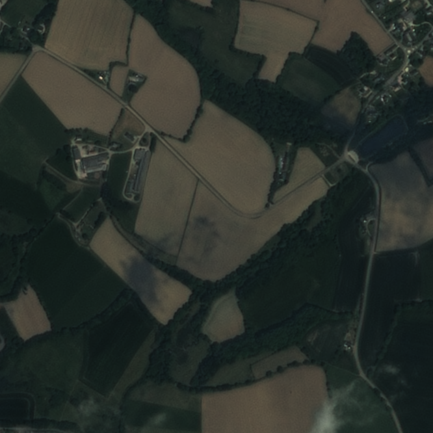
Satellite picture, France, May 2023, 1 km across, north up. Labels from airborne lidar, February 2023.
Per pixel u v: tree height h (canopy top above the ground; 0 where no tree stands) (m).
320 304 0
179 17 0
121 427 9
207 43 0
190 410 0
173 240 0
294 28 0
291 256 7
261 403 0
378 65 0
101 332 0
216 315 0
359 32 0
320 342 0
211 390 11
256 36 0
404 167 0
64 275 0
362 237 0
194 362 0
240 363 0
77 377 0
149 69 0
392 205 0
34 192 0
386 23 11
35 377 0
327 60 0
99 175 0
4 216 0
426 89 15
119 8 0
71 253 0
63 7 0
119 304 17
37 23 15
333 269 0
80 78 0
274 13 0
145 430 0
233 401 0
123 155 0
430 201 0
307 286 0
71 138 0
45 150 0
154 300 0
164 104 0
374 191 0
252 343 21
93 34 0
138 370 0
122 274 0
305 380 0
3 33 8
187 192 0
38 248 0
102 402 0
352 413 0
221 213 0
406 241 0
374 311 0
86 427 0
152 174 0
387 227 0
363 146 0
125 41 0
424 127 13
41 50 0
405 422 0
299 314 17
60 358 0
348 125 0
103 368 0
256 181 0
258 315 0
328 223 16
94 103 0
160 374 6
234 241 0
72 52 0
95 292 0
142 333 0
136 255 0
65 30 0
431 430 0
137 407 0
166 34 18
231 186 0
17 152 0
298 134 22
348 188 0
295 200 0
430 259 0
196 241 0
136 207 0
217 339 0
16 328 0
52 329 8
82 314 0
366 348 0
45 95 0
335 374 0
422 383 0
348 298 0
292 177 0
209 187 0
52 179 10
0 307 0
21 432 0
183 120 0
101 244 0
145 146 0
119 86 0
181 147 0
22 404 0
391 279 0
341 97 0
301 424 0
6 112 0
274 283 0
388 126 0
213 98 14
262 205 0
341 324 0
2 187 0
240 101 6
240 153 0
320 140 0
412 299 0
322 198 0
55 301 0
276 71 0
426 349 0
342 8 0
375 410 0
